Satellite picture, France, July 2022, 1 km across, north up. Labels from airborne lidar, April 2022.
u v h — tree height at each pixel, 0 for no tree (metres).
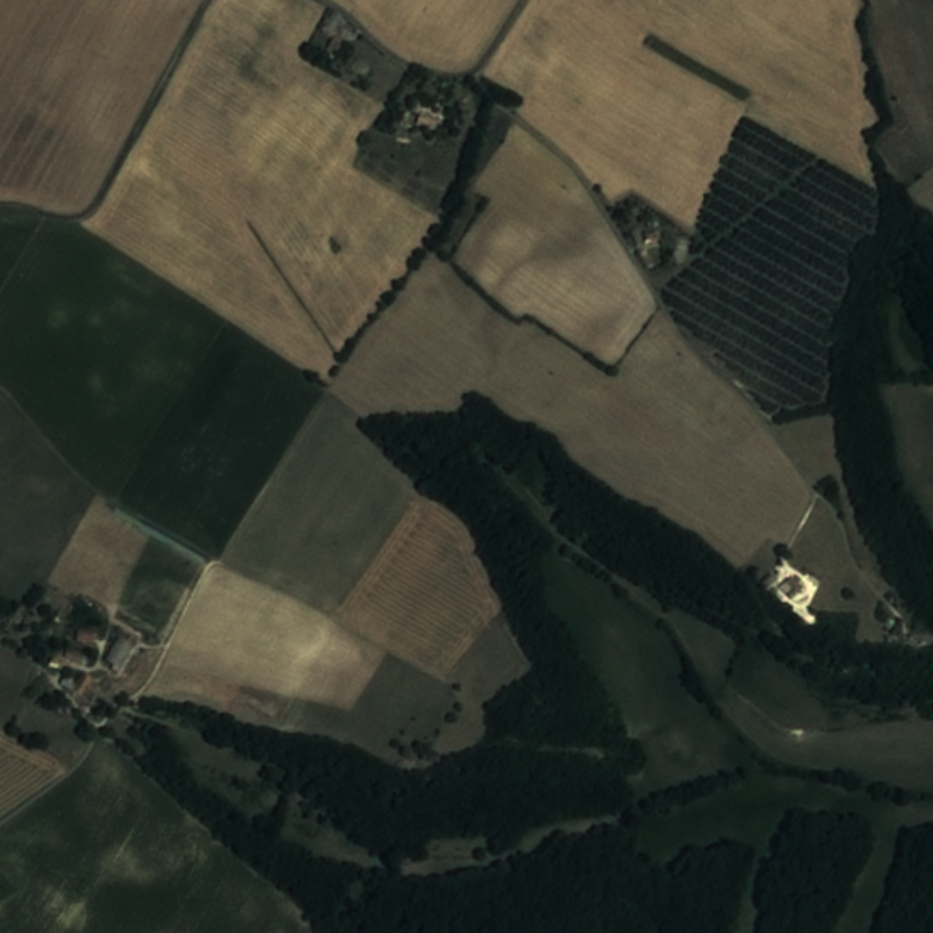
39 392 0
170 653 0
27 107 0
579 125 0
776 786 0
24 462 0
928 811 0
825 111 0
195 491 0
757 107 0
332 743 10
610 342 0
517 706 9
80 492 0
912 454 0
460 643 0
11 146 0
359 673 0
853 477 15
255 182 0
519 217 0
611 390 0
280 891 7
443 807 17
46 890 0
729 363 7
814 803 0
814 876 19
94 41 0
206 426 0
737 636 5
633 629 0
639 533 15
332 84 0
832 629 7
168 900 0
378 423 14
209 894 0
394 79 0
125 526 0
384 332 0
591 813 18
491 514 17
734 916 11
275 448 0
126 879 0
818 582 0
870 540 10
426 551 0
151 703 13
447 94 7
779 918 19
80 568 0
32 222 0
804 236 11
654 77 0
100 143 0
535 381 0
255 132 0
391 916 22
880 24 0
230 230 0
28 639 7
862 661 17
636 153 0
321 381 6
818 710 0
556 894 21
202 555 0
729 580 14
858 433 17
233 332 0
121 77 0
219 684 0
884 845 0
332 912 18
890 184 14
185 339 0
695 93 0
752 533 0
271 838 25
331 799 20
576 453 0
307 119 0
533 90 0
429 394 0
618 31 0
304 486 0
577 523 20
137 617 0
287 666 0
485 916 23
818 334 12
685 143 0
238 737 13
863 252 16
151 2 0
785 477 0
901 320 0
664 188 0
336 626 0
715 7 0
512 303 0
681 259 0
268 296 0
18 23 0
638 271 0
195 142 0
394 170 0
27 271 0
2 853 0
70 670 8
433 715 0
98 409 0
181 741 0
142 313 0
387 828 22
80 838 0
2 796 0
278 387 0
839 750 0
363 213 0
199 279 0
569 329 0
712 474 0
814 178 13
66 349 0
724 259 9
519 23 0
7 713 0
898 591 6
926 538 21
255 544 0
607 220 0
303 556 0
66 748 0
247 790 16
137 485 0
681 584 18
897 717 6
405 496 0
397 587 0
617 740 16
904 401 0
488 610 0
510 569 8
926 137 0
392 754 0
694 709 0
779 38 0
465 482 24
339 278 0
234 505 0
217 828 9
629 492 0
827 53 0
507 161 0
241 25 0
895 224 17
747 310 11
